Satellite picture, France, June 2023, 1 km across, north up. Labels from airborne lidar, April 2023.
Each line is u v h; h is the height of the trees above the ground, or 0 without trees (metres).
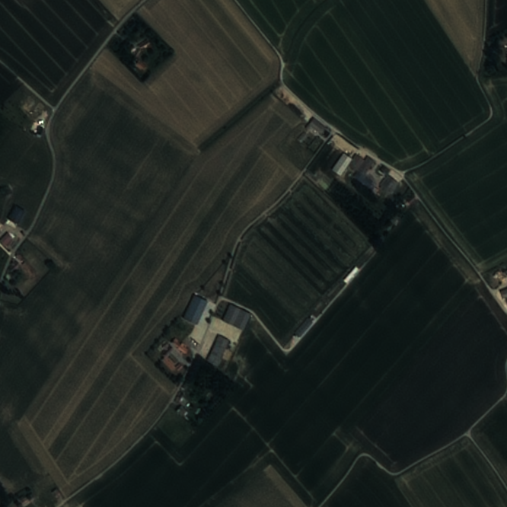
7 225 0
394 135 0
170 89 0
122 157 0
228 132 0
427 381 0
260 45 0
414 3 0
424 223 0
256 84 0
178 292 0
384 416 0
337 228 0
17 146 0
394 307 0
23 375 0
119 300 0
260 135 0
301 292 0
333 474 0
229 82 0
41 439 0
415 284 0
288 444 0
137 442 0
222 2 0
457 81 0
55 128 0
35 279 0
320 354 0
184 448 0
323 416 0
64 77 0
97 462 0
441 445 0
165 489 0
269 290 0
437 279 0
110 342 0
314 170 0
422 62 0
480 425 0
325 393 0
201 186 0
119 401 0
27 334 0
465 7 0
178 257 0
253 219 0
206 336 0
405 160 0
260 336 0
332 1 0
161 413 0
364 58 0
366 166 0
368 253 0
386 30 0
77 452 0
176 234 0
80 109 0
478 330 0
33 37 0
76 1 0
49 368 0
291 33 0
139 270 0
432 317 0
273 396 0
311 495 0
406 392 0
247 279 0
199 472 0
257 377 0
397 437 0
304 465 0
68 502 0
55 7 0
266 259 0
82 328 0
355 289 0
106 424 0
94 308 0
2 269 0
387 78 0
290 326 0
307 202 0
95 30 0
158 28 0
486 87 0
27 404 0
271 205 0
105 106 0
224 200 0
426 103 0
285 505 0
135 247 0
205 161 0
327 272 0
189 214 0
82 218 0
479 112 0
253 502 0
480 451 0
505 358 0
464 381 0
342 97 0
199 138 0
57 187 0
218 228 0
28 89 0
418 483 0
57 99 0
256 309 0
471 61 0
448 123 0
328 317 0
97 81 0
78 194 0
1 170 0
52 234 0
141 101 0
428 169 0
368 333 0
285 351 0
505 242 0
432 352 0
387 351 0
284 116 0
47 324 0
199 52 0
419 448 0
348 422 0
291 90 0
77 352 0
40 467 0
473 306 0
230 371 0
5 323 0
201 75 0
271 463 0
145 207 0
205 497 0
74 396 0
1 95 0
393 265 0
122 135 0
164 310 0
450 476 0
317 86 0
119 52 8
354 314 0
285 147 0
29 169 0
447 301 0
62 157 0
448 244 0
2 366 0
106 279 0
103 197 0
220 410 0
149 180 0
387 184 0
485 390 0
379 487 0
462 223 0
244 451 0
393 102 0
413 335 0
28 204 0
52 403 0
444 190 0
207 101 0
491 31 0
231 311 0
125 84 0
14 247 0
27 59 0
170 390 0
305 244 0
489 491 0
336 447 0
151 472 0
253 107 0
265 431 0
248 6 0
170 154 0
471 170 0
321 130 0
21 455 0
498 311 0
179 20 0
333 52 0
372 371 0
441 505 0
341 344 0
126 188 0
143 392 0
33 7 0
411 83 0
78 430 0
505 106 0
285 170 0
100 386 0
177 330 0
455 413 0
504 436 0
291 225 0
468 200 0
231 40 0
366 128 0
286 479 0
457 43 0
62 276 0
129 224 0
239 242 0
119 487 0
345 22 0
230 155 0
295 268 0
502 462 0
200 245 0
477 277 0
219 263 0
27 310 0
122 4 0
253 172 0
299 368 0
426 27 0
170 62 0
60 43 0
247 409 0
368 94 0
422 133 0
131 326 0
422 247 0
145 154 0
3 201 0
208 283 0
